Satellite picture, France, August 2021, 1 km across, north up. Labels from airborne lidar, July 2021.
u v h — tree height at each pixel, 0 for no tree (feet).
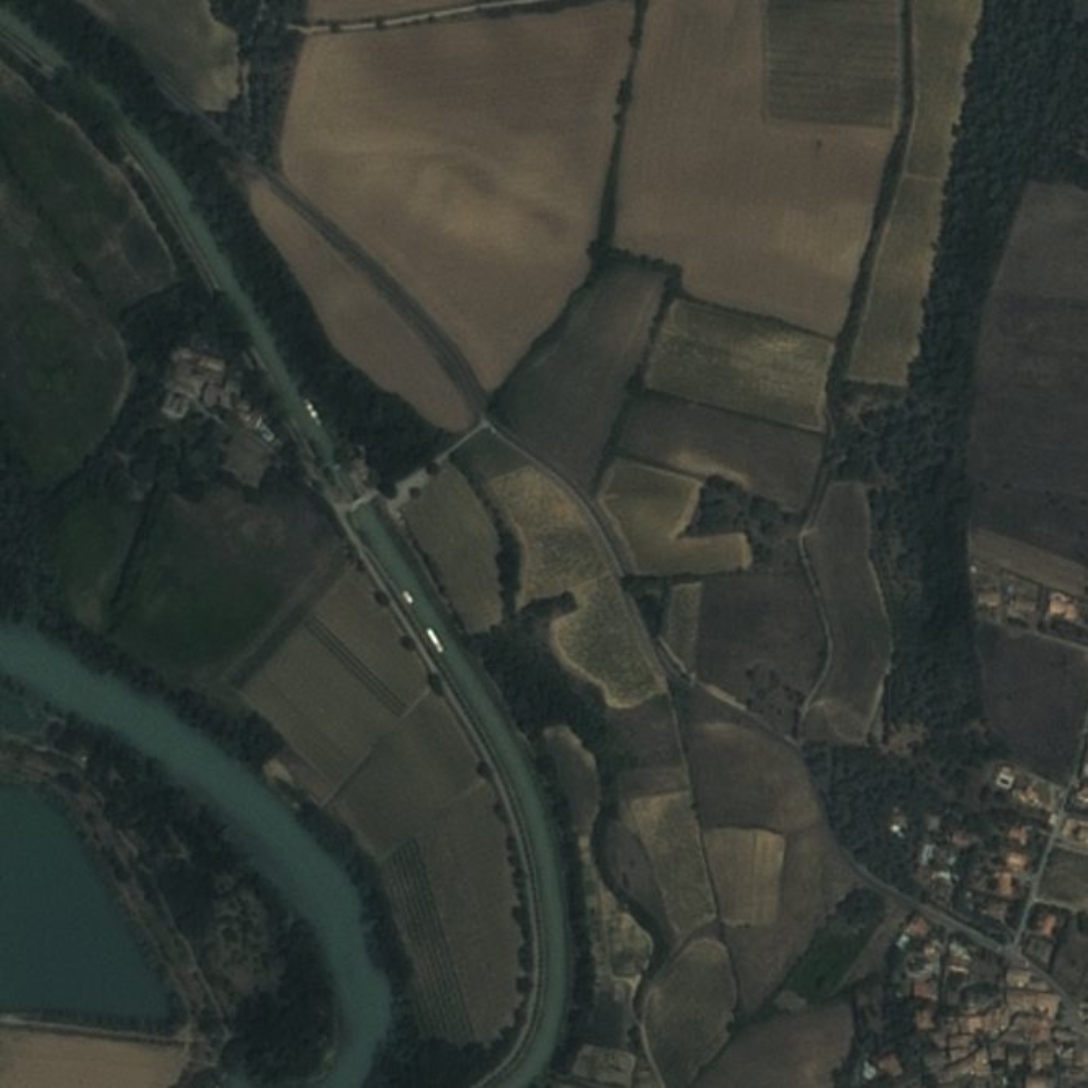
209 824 32
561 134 0
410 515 0
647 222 0
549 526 0
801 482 0
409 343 0
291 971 28
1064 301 0
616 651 0
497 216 0
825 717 0
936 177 0
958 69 0
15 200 0
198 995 0
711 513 34
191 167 64
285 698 0
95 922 0
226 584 0
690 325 0
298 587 0
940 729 32
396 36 0
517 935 0
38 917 0
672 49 0
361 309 0
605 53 0
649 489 0
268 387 47
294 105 0
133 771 24
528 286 0
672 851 0
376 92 0
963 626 32
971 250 34
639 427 0
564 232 0
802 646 0
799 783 0
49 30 55
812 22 0
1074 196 0
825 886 0
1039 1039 0
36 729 0
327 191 0
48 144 0
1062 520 0
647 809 0
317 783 0
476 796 0
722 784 0
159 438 39
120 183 0
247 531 0
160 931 0
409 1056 38
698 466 0
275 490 30
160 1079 0
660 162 0
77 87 76
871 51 0
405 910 0
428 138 0
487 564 0
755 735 0
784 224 0
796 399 0
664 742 0
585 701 22
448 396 0
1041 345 0
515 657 25
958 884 30
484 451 0
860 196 0
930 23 0
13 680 35
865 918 26
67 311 0
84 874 0
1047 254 0
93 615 0
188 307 50
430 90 0
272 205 0
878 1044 34
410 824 0
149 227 0
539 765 30
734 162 0
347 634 0
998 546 0
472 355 0
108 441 29
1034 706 0
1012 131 27
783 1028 0
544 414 0
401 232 0
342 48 0
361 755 0
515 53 0
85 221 0
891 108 0
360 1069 0
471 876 0
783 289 0
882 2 0
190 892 34
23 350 0
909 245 0
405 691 0
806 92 0
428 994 0
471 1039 0
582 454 0
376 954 56
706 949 0
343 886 0
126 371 0
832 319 0
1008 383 0
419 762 0
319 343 66
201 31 0
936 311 21
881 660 0
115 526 0
